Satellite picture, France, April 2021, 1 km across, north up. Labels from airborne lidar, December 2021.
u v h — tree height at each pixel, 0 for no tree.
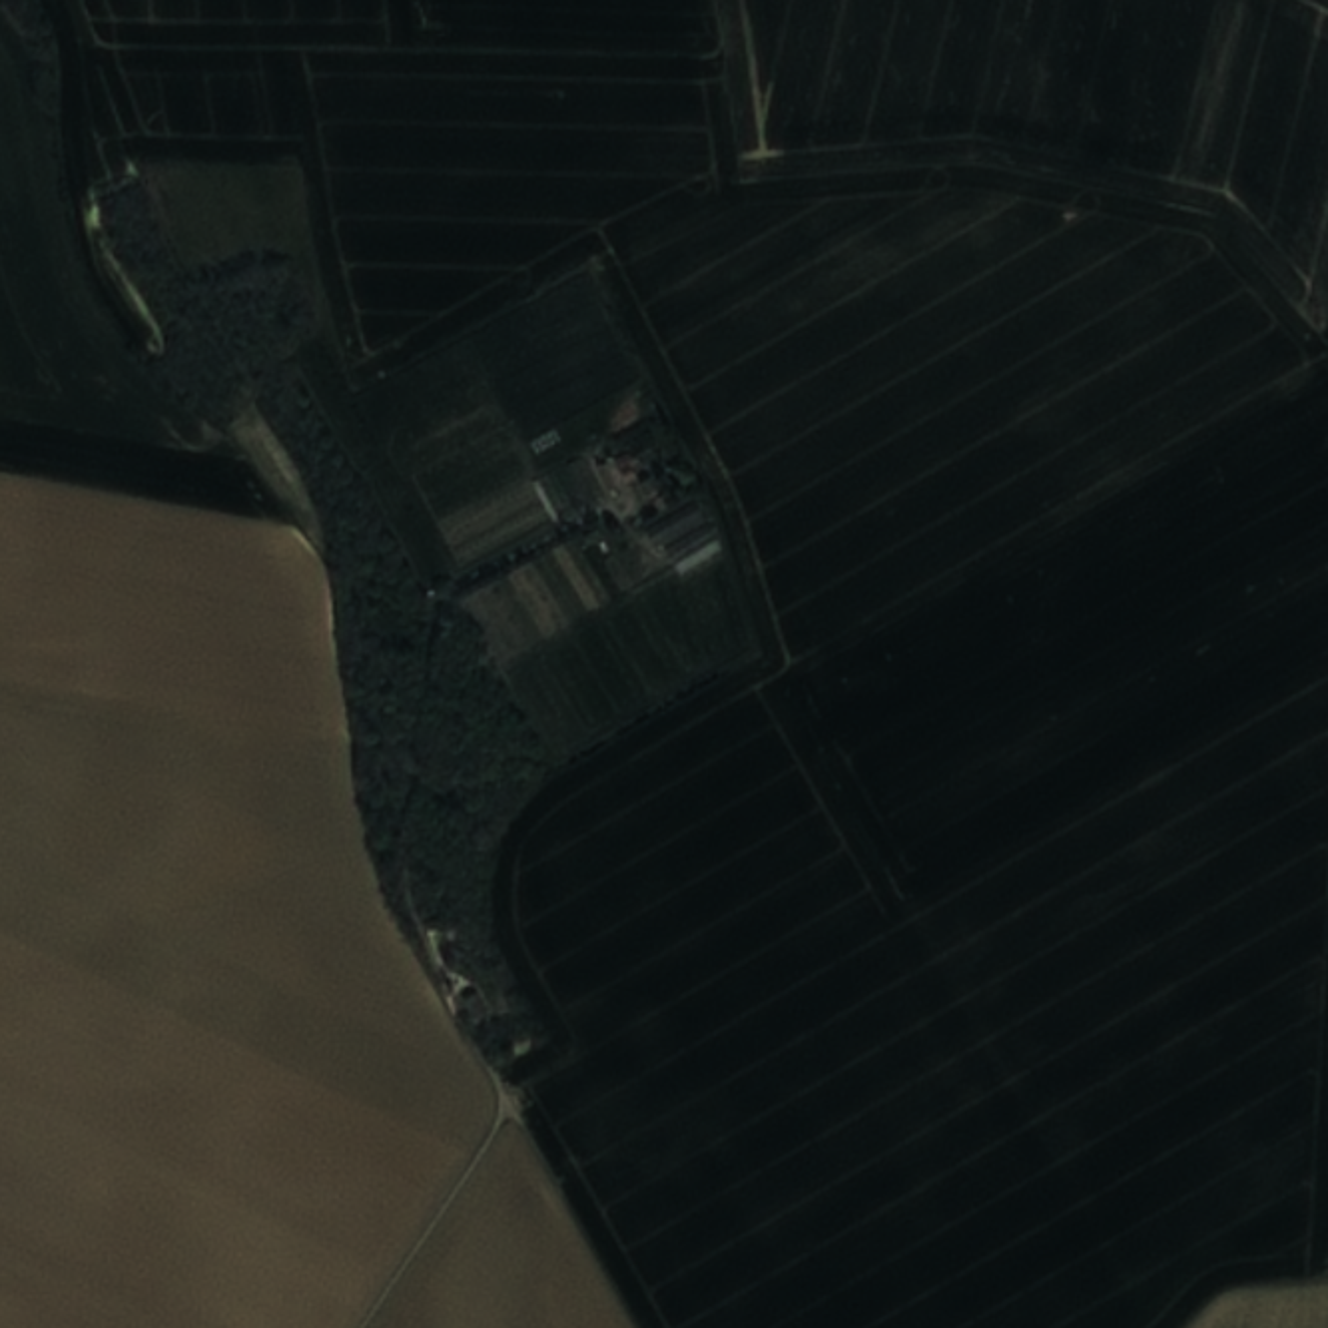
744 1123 0
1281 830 0
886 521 0
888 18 0
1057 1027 0
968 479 0
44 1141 0
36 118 0
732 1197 0
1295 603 0
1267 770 0
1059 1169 0
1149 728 0
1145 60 0
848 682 0
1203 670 0
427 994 0
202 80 0
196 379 9
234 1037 0
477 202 0
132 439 0
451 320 0
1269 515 0
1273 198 0
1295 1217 0
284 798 0
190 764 0
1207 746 0
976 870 0
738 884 0
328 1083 0
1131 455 0
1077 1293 0
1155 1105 0
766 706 0
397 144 0
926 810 0
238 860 0
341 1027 0
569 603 0
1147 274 0
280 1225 0
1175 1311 0
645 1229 0
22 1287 0
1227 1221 0
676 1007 0
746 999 0
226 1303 0
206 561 0
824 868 0
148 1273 0
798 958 0
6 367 0
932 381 0
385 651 17
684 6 0
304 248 0
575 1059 0
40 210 0
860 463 0
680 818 0
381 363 0
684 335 0
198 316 12
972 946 0
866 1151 0
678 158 0
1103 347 0
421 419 0
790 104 0
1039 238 0
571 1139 0
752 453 0
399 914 14
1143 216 0
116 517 0
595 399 0
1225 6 0
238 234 0
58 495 0
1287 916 0
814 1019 0
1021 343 0
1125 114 0
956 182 0
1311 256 0
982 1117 0
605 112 0
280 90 0
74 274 0
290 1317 0
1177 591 0
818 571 0
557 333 0
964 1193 0
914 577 0
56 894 0
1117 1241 0
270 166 0
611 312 6
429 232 0
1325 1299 0
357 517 16
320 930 0
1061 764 0
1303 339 0
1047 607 0
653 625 0
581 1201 0
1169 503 0
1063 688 0
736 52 0
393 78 0
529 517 0
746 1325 0
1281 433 0
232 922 0
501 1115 0
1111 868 0
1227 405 0
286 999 0
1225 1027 0
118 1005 0
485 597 0
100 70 0
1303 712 0
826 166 0
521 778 17
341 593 17
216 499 0
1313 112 0
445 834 17
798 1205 0
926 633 0
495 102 0
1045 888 0
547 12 0
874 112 0
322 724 0
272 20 0
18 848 0
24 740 0
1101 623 0
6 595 0
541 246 0
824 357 0
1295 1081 0
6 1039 0
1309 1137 0
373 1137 0
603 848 0
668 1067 0
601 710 0
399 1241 0
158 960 0
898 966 0
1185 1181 0
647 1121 0
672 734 0
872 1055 0
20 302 0
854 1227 0
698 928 0
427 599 15
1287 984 0
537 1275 0
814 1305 0
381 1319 0
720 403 0
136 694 0
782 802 0
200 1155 0
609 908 0
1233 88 0
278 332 18
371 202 0
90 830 0
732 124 0
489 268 0
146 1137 0
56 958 0
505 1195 0
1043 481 0
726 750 0
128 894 0
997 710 0
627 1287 0
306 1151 0
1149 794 0
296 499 0
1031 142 0
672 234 0
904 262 0
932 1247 0
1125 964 0
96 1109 0
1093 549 0
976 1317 0
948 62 0
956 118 0
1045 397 0
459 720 20
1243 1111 0
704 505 0
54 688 0
